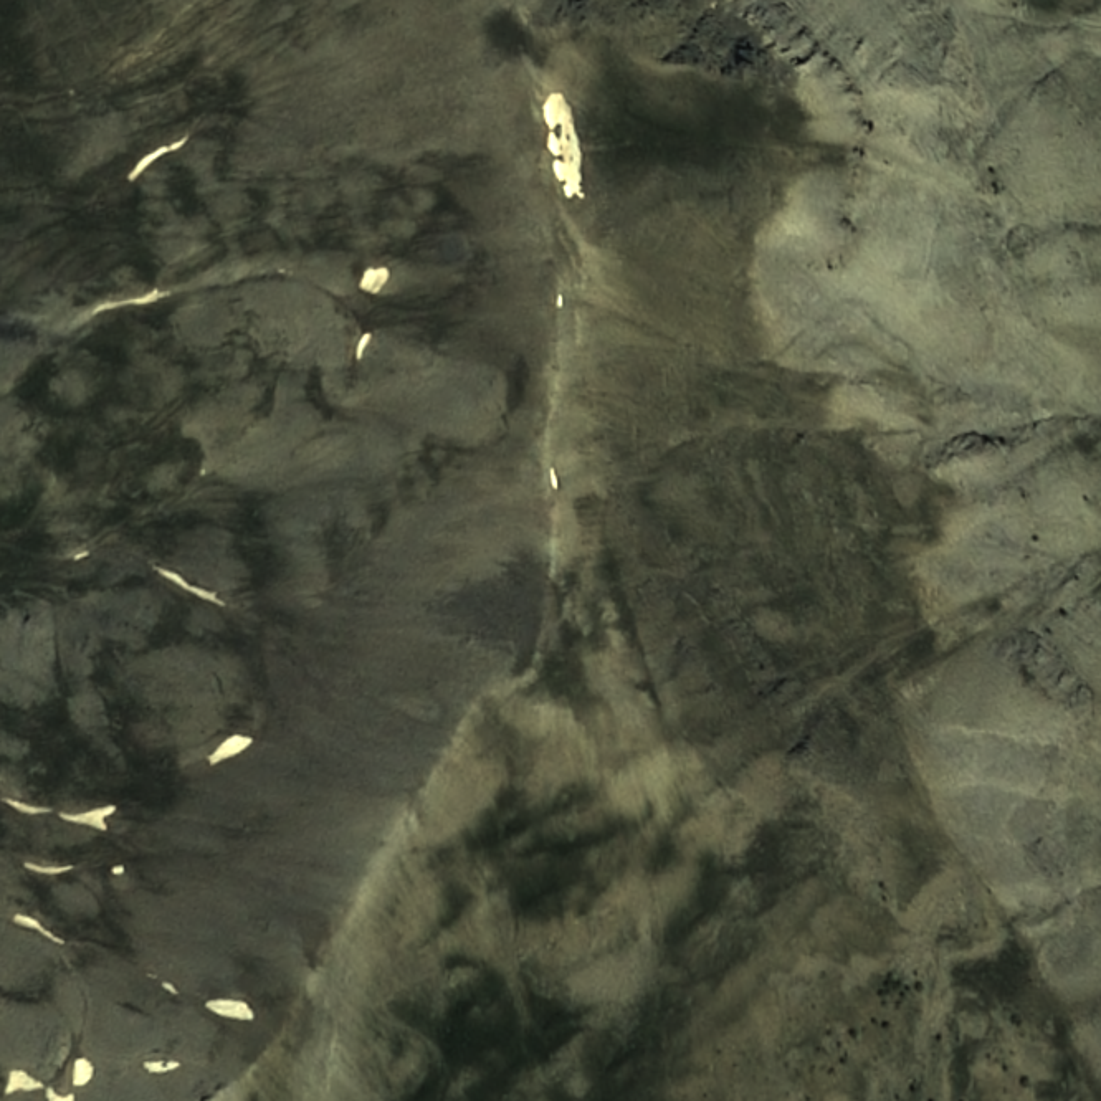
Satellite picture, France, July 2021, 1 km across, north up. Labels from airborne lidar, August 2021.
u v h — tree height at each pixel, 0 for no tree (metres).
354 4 0
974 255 0
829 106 0
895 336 0
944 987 0
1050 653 0
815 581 0
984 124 0
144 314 0
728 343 0
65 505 0
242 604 0
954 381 0
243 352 0
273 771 0
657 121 0
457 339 0
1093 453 0
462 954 0
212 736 0
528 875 0
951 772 0
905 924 0
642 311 0
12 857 0
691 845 0
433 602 0
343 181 0
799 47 0
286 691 0
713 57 0
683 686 0
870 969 0
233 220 0
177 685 0
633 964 0
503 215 0
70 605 0
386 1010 0
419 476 0
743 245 0
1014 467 0
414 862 0
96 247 0
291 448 0
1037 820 0
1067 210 0
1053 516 0
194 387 0
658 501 0
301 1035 0
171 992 0
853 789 0
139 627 0
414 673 0
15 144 0
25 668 0
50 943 0
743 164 0
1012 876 0
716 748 0
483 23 0
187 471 0
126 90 0
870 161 0
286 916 0
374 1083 0
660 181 0
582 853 0
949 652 0
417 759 0
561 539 0
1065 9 0
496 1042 0
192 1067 0
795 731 0
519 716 0
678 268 0
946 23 0
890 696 0
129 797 0
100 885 0
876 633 0
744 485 0
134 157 0
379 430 0
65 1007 0
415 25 0
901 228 0
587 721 0
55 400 0
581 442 0
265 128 0
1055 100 0
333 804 0
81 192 0
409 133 0
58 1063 0
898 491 0
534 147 0
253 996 0
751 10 0
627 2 0
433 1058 0
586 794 0
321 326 0
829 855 0
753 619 0
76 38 0
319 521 0
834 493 0
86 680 0
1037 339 0
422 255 0
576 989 0
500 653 0
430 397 0
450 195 0
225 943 0
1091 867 0
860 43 0
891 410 0
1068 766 0
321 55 0
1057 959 0
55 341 0
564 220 0
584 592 0
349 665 0
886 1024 10
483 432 0
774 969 0
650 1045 0
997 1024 0
